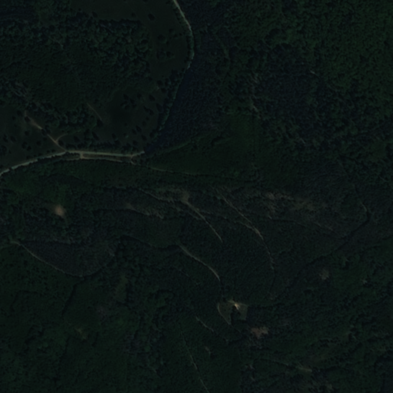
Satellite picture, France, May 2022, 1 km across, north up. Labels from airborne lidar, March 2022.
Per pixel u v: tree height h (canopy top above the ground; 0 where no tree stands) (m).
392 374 27
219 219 19
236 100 15
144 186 14
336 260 20
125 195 26
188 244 20
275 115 37
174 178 13
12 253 15
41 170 16
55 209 0
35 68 13
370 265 28
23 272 6
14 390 12
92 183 11
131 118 0
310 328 20
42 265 14
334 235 23
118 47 39
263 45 30
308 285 20
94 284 24
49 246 26
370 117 30
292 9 25
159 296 29
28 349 21
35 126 0
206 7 25
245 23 6
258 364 24
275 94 40
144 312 23
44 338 24
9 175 13
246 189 13
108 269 22
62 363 25
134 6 0
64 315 18
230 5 24
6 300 9
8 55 16
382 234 15
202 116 23
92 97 19
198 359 12
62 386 23
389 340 23
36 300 15
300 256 22
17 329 8
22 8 26
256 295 15
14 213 32
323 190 19
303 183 20
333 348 0
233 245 22
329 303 22
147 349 34
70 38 31
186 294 21
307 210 10
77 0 0
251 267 19
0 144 0
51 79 16
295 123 38
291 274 23
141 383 24
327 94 30
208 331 19
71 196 15
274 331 27
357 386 22
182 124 30
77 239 25
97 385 15
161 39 17
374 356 28
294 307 26
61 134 0
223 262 22
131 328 20
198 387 15
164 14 0
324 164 15
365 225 21
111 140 0
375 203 20
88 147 10
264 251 20
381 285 21
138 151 15
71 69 15
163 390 25
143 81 21
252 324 21
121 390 16
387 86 35
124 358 21
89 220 25
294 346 25
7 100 19
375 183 21
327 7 27
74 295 24
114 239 27
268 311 15
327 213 17
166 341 25
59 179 16
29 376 13
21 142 0
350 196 18
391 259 25
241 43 8
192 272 20
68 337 19
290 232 20
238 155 15
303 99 40
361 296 21
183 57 0
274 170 20
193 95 36
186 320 22
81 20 30
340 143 27
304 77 36
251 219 17
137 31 33
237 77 26
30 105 7
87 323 21
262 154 19
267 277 15
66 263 24
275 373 26
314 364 0
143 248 28
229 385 21
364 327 23
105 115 0
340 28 26
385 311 17
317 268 28
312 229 21
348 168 18
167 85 11
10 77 13
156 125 0
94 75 13
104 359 17
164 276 32
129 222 30
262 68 38
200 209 19
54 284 7
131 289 23
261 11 8
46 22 0
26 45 6
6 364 18
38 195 19
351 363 21
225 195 19
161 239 18
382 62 32
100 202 27
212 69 19
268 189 15
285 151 19
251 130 13
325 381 27
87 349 17
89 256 27
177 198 18
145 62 11
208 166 12
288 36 26
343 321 17
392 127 27
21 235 29
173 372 15
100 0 0
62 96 21
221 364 15
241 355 13
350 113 10
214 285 20
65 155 8
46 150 0
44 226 22
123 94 0
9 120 0
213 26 26
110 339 22
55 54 14
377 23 30
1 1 20
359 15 28
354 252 22
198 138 16
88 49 12
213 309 18
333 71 31
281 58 36
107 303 24
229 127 14
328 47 31
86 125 19
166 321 33
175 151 12
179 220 17
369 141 26
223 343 22
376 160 0
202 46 23
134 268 32
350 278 24
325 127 37
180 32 0
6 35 21
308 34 32
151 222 18
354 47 32
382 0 31
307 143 33
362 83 30
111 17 0
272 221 17
